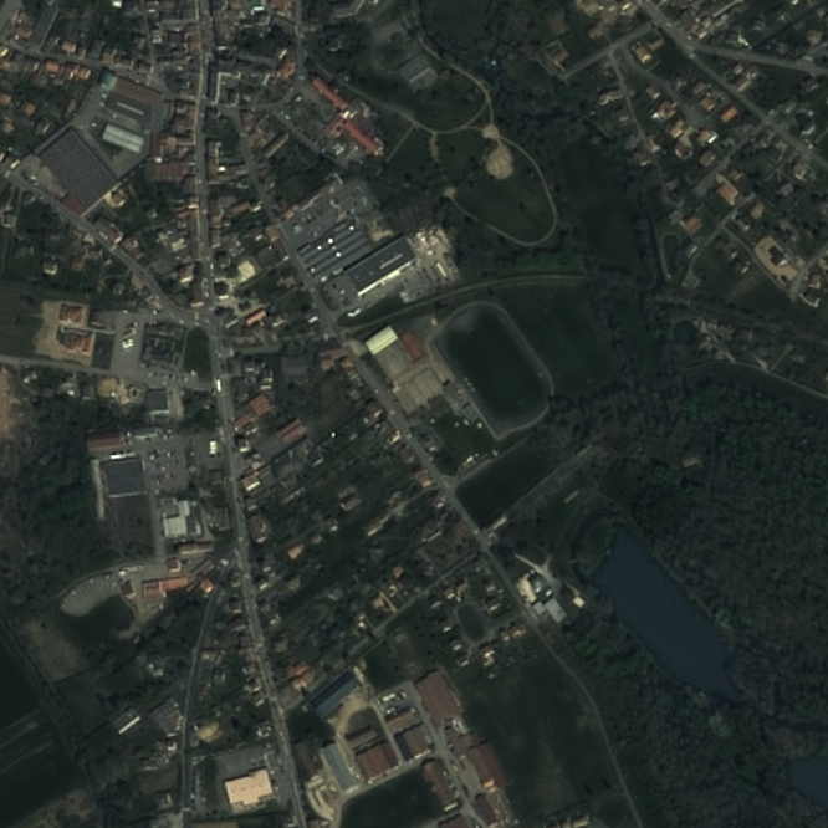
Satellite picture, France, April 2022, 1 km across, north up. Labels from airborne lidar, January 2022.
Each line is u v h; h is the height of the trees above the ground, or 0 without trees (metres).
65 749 0
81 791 0
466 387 0
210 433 0
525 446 0
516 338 0
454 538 16
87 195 0
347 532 0
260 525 0
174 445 0
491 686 0
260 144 0
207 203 0
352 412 0
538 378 0
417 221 0
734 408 24
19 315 0
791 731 19
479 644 0
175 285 10
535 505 0
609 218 0
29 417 0
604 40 0
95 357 0
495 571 0
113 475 0
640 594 0
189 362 0
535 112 21
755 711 18
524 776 0
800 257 0
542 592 0
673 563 16
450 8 0
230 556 0
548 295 0
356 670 0
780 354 0
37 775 0
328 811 0
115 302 0
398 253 0
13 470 0
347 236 0
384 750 0
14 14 0
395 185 6
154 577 0
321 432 0
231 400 0
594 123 9
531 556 18
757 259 0
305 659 0
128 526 0
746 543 23
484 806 0
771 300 0
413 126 0
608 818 0
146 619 0
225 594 0
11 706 0
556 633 0
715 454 18
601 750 0
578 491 0
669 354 21
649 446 18
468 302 0
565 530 0
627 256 0
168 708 0
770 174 0
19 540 0
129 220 0
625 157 9
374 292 0
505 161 0
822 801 0
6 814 0
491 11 6
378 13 0
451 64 13
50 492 25
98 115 0
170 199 6
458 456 0
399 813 0
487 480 0
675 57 0
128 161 0
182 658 0
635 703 18
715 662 0
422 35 13
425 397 0
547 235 0
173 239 0
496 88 11
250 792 0
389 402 0
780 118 0
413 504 0
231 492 0
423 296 0
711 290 13
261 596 0
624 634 23
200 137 0
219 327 0
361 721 0
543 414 0
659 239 0
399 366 0
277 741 0
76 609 0
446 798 0
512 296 0
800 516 23
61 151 0
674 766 24
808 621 21
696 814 21
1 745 0
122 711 19
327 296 0
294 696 0
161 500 0
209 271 0
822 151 0
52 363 0
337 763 0
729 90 0
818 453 26
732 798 23
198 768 0
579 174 0
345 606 6
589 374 0
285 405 8
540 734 0
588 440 17
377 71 0
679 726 22
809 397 0
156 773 0
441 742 0
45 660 0
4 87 0
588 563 17
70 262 0
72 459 12
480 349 0
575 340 0
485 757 0
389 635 0
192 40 0
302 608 0
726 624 14
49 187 0
